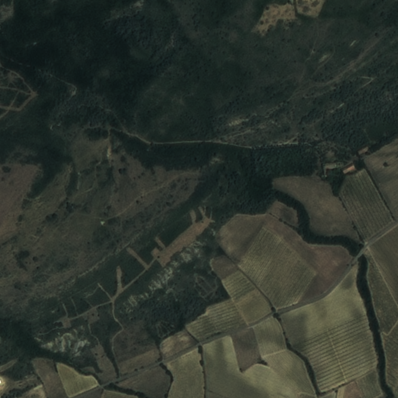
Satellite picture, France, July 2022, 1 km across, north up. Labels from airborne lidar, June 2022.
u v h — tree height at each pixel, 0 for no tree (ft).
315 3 0
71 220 0
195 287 0
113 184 0
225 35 23
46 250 0
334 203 0
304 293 0
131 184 0
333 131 38
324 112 22
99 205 0
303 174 26
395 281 0
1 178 0
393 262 0
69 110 31
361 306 0
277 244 0
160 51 40
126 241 0
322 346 0
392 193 0
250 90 0
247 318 0
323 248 0
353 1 0
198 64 38
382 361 27
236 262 0
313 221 0
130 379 0
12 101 0
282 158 28
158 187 0
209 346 0
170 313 35
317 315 0
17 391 28
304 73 0
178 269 0
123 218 0
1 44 19
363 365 0
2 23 19
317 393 27
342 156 34
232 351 0
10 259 0
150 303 34
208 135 36
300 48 25
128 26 37
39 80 18
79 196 0
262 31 0
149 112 30
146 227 0
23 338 18
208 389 0
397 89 45
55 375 0
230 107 31
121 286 0
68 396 0
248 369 0
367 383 0
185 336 0
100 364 0
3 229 0
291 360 0
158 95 0
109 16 28
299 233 25
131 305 0
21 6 24
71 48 19
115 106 23
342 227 0
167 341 0
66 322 0
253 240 0
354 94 29
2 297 0
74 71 22
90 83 21
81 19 17
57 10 19
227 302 0
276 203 0
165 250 0
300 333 0
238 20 0
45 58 26
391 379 0
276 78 0
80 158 0
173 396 0
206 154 20
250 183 37
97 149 0
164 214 0
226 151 19
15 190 0
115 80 19
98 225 0
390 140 43
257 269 0
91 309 0
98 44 25
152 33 39
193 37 0
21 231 0
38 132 21
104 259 0
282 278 0
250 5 0
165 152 22
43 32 20
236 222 0
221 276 0
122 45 22
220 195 21
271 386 0
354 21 0
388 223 0
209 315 0
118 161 0
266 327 0
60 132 0
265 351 0
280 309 0
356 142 50
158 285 0
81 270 0
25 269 0
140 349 0
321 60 0
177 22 31
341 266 0
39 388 0
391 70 29
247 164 52
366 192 0
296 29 0
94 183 0
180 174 0
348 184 0
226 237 0
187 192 0
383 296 0
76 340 0
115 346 0
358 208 0
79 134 0
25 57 31
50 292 0
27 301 0
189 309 23
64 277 0
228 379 0
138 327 0
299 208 45
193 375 0
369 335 0
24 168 0
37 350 19
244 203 46
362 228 0
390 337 0
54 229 0
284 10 0
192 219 0
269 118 22
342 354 0
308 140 28
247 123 22
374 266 0
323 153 19
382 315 0
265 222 0
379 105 36
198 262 0
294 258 0
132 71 26
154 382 0
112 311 0
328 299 0
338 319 0
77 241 0
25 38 24
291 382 0
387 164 28
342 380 0
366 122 36
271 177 32
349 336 0
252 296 0
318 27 0
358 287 33
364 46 0
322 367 0
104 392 0
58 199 0
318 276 0
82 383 0
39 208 0
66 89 18
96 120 43
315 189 0
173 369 0
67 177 0
